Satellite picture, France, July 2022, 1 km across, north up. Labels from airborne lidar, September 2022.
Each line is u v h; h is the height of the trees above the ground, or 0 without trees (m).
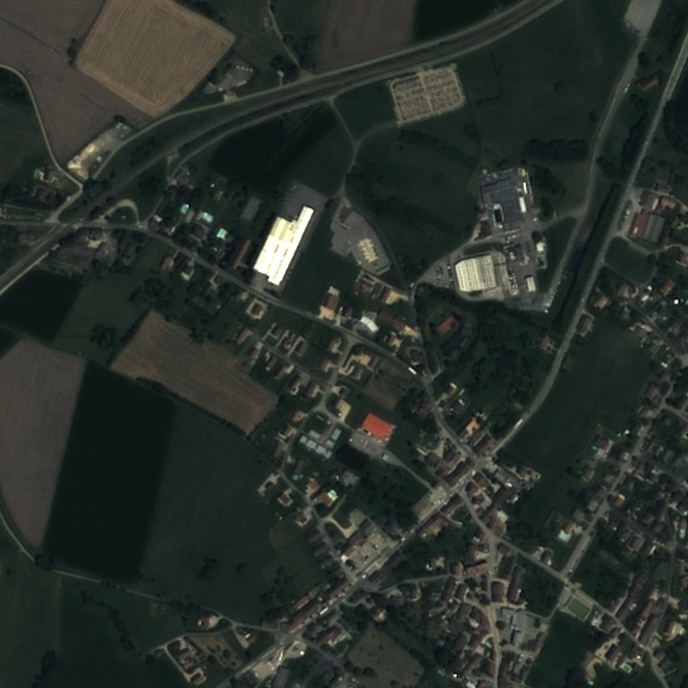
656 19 0
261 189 0
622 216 0
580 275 15
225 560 0
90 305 0
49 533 0
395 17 0
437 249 0
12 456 0
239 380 0
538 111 0
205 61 0
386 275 0
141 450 0
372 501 10
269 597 12
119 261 6
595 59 0
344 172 0
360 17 0
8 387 0
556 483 0
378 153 0
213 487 0
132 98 0
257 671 0
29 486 0
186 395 0
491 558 0
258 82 0
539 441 0
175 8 0
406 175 0
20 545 0
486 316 9
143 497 0
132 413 0
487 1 0
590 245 13
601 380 0
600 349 0
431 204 0
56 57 0
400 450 0
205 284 6
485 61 0
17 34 0
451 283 0
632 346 0
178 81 0
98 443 0
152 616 0
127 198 0
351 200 0
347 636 0
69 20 0
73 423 0
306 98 8
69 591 0
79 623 0
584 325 0
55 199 10
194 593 0
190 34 0
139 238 9
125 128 0
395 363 0
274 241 0
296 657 0
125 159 0
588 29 0
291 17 0
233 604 0
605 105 0
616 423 0
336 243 0
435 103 0
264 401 0
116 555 0
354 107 0
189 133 0
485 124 0
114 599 0
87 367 0
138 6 0
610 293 7
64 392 0
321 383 0
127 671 0
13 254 10
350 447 8
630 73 0
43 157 0
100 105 0
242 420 0
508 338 9
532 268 0
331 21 0
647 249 0
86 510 0
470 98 0
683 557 6
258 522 0
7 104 0
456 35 0
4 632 0
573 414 0
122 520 0
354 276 0
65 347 0
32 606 0
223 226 0
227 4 0
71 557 0
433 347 9
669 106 12
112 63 0
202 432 0
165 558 0
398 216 5
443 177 0
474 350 9
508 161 6
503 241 0
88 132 0
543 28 0
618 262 0
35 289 0
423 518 0
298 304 0
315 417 0
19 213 0
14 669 0
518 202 0
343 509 0
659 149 0
